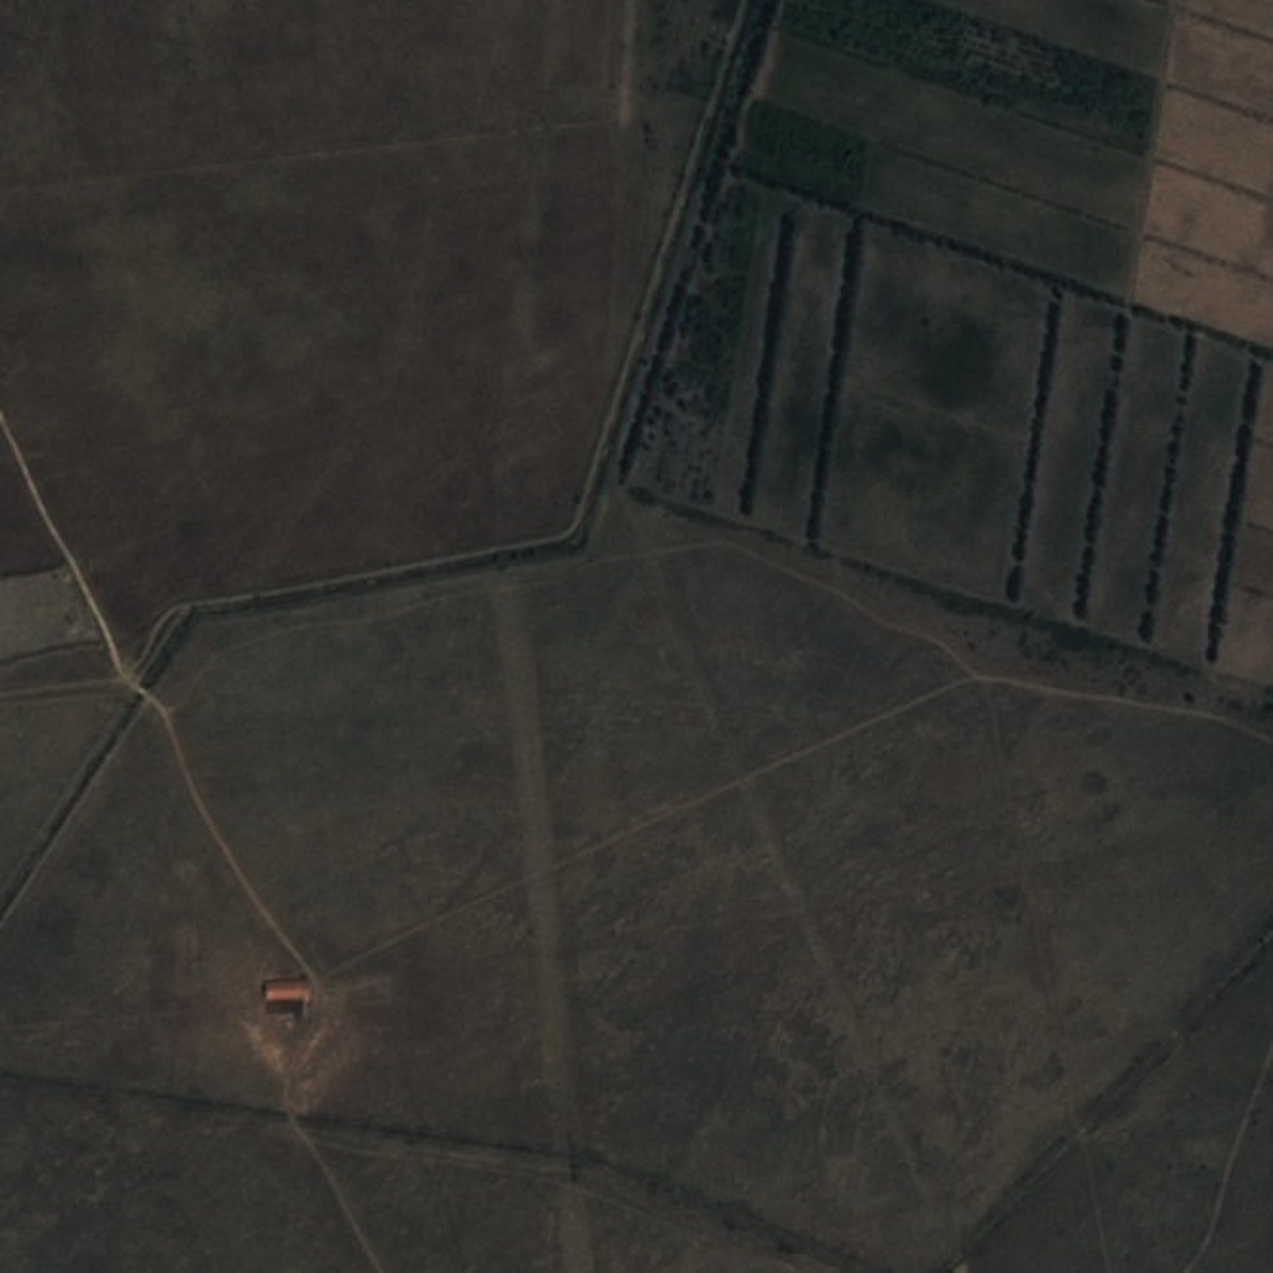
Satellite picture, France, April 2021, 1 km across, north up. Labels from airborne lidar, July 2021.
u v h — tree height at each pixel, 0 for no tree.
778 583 0
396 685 0
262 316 0
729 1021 0
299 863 0
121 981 0
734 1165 0
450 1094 0
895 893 0
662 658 0
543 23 0
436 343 0
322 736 0
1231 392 0
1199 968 0
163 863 0
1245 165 0
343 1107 0
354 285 0
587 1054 0
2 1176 0
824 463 10
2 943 0
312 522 0
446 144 0
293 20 0
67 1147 0
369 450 0
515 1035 0
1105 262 0
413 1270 0
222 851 0
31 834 0
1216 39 0
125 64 0
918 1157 0
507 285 0
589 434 0
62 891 0
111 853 0
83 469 0
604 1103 0
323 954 0
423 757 0
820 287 0
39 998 0
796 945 0
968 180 0
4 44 0
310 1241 0
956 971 0
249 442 0
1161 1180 0
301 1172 0
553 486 0
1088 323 0
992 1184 0
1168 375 0
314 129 0
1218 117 0
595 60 0
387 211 0
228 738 0
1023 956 0
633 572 0
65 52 0
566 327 0
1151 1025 0
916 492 0
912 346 0
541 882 0
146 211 0
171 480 0
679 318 10
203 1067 0
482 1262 0
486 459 0
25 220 0
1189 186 0
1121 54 0
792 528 0
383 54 0
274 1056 0
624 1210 0
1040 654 0
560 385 0
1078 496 0
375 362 0
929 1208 0
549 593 0
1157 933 0
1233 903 0
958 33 6
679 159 0
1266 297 0
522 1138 0
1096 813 0
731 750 0
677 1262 0
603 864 0
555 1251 0
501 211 0
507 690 0
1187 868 0
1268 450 0
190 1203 0
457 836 0
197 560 0
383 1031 0
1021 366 0
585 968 0
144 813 0
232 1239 0
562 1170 0
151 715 0
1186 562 0
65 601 0
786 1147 0
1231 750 0
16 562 0
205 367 0
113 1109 0
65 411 0
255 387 0
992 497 0
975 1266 0
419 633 0
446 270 0
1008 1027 0
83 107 0
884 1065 0
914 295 0
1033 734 0
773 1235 0
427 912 0
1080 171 0
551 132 0
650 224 0
